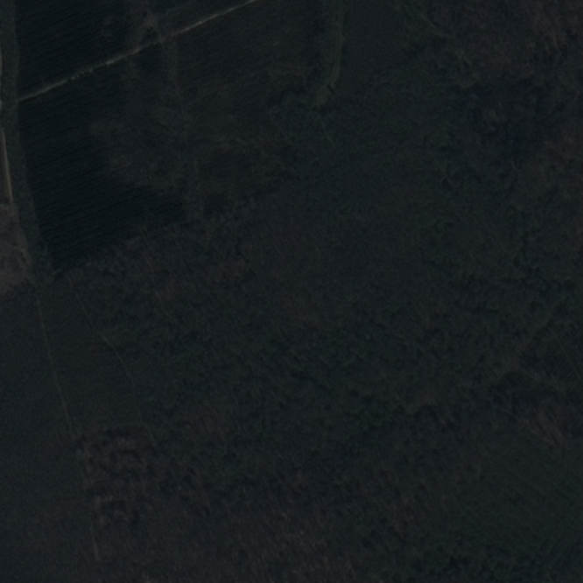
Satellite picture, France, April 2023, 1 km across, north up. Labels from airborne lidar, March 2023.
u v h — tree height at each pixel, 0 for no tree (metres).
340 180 22
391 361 23
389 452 24
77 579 20
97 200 6
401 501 27
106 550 23
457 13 29
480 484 23
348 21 10
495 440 28
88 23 8
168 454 28
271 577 28
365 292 24
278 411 20
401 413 25
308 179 19
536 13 29
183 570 23
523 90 29
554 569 24
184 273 24
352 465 25
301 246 23
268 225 26
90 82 5
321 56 14
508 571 26
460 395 25
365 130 21
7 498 17
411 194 29
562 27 26
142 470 25
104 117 6
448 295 27
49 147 6
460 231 25
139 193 6
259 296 18
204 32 7
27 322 18
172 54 11
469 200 26
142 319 25
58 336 11
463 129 33
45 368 17
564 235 27
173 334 21
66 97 7
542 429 29
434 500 29
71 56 7
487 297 26
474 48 26
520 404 22
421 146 25
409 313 28
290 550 28
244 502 13
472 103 23
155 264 25
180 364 18
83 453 22
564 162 28
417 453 19
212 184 0
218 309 24
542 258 30
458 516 24
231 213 21
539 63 28
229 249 23
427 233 23
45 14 7
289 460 23
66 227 6
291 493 25
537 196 26
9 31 19
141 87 5
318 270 24
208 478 24
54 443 18
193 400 23
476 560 29
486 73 26
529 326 22
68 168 6
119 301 23
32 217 21
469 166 22
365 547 29
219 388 24
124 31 7
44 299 16
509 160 28
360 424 24
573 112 17
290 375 21
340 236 24
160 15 20
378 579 31
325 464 18
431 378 25
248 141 0
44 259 15
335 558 29
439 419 31
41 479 18
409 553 22
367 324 23
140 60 6
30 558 18
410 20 13
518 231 32
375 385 24
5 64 13
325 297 25
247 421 22
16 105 20
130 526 12
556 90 25
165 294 28
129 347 15
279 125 8
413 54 11
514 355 26
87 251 6
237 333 26
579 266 26
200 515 27
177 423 26
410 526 33
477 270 16
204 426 28
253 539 29
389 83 19
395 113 24
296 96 17
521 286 23
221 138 0
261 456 21
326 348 22
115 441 23
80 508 20
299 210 22
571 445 23
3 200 0
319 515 24
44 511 21
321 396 20
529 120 25
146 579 23
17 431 19
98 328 16
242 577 24
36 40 6
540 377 29
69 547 15
